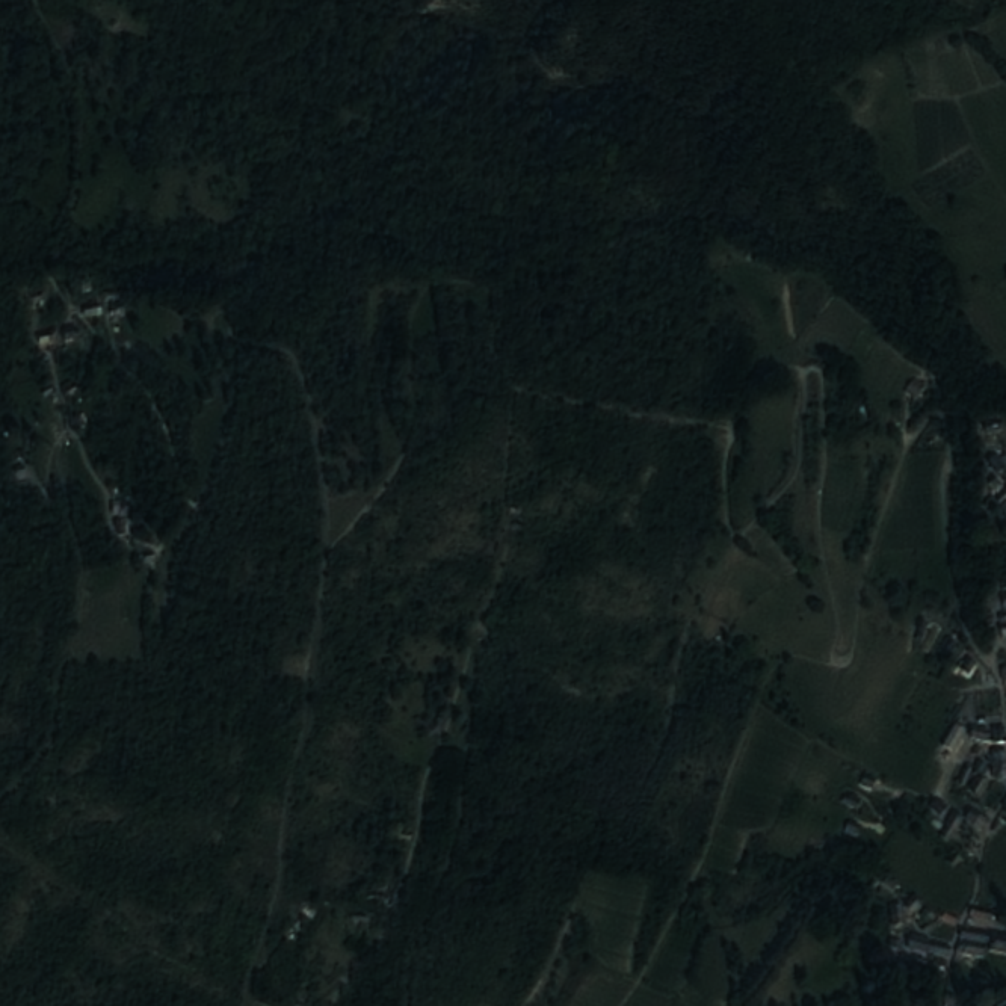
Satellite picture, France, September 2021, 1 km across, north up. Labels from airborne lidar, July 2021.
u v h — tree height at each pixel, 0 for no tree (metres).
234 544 13
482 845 22
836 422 14
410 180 16
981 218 0
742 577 0
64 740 11
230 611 14
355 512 0
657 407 12
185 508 17
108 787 7
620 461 7
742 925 9
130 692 10
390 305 6
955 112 0
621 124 21
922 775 0
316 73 23
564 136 27
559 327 29
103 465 14
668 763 11
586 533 6
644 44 10
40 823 13
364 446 11
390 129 10
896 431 14
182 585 17
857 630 0
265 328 27
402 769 7
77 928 8
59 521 12
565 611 6
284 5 21
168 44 18
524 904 12
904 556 0
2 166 7
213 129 20
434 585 8
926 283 11
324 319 18
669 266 21
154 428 15
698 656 16
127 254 31
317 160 15
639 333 10
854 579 0
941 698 0
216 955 11
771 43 13
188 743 15
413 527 7
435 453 12
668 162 23
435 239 22
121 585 0
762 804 0
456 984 7
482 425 10
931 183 0
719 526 12
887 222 20
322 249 27
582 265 13
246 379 20
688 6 19
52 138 19
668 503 7
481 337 18
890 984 34
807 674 0
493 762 23
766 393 19
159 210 0
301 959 12
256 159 16
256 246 21
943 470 0
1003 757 0
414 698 0
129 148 16
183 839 8
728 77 17
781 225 14
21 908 0
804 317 0
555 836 10
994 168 0
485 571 6
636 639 9
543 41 14
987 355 15
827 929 21
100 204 0
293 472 18
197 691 16
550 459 13
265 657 11
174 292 23
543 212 21
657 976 0
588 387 7
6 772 9
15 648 9
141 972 5
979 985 17
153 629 11
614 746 17
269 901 6
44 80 18
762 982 20
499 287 15
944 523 0
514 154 15
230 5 20
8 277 21
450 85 10
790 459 9
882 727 0
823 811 0
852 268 16
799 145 13
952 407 17
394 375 17
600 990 0
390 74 9
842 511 0
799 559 11
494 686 16
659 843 9
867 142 17
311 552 17
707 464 9
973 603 22
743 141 23
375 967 21
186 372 0
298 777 11
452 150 12
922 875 0
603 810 20
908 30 8
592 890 0
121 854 11
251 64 19
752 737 0
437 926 20
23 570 13
